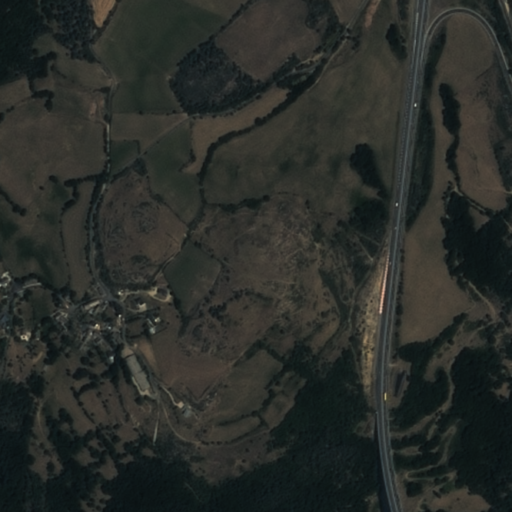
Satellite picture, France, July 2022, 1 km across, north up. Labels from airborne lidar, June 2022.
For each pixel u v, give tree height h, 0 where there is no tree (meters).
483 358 12
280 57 0
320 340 0
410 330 0
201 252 0
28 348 7
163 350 0
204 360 0
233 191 0
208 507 10
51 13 11
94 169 0
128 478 20
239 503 27
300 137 0
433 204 0
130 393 0
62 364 0
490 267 20
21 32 8
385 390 0
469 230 22
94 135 0
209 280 0
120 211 0
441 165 0
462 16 0
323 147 0
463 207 26
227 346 0
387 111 0
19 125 0
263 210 0
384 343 0
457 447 0
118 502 22
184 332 0
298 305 0
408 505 0
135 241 0
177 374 0
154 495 27
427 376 0
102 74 0
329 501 17
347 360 10
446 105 16
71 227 0
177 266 0
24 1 11
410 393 10
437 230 0
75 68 0
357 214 16
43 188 10
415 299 0
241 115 0
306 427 9
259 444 0
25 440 22
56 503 23
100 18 0
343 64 0
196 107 8
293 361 10
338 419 15
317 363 10
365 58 0
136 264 0
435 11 0
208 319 0
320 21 0
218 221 0
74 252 0
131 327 0
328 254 0
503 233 8
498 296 9
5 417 16
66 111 0
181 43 0
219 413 0
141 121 0
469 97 0
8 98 0
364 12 0
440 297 0
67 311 0
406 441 17
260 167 0
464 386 28
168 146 0
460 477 17
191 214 0
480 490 10
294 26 0
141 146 0
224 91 0
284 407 0
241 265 0
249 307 0
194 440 0
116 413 0
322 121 0
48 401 0
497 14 8
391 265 0
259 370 0
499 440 26
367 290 0
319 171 0
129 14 0
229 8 0
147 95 0
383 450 0
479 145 0
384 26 0
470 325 0
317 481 9
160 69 0
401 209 0
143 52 0
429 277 0
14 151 0
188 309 0
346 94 0
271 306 0
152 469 24
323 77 0
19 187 0
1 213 0
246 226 0
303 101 0
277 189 0
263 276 0
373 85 0
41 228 0
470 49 0
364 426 0
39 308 0
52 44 0
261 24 0
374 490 14
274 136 0
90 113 0
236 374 0
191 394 0
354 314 0
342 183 0
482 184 0
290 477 25
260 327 0
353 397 8
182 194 0
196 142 0
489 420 19
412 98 0
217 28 0
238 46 0
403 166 0
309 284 0
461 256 15
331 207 0
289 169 0
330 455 18
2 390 6
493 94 0
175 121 0
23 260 0
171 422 0
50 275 0
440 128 0
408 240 0
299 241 0
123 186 0
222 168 0
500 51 0
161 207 0
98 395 9
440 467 10
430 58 0
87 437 14
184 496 14
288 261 0
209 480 0
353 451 20
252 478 14
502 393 0
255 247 0
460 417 16
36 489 10
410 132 0
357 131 0
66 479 23
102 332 6
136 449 11
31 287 0
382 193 10
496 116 0
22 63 12
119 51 0
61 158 0
